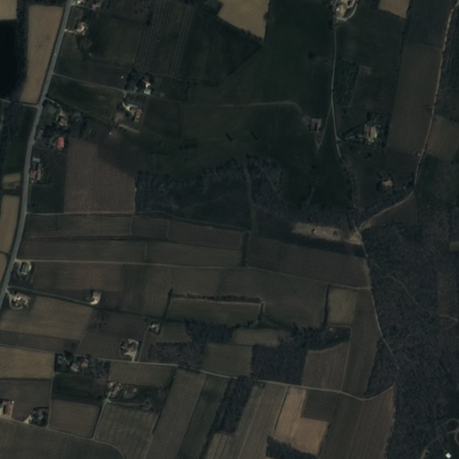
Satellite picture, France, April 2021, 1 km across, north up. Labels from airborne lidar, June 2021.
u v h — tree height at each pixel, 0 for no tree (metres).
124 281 0
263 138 0
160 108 0
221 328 19
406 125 0
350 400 0
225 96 0
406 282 12
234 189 0
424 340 16
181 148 9
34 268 0
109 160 0
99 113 0
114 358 0
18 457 0
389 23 0
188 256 0
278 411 0
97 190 0
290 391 0
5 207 0
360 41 0
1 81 0
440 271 12
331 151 0
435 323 22
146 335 0
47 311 0
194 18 0
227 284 0
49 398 0
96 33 0
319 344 9
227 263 0
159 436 0
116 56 0
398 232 11
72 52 0
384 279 9
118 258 0
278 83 0
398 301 12
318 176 0
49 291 0
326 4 12
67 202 0
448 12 0
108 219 0
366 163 0
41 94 0
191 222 0
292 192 0
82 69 0
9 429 0
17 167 0
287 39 0
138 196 9
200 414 0
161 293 0
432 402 21
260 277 0
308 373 0
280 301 0
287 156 0
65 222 0
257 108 0
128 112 7
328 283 0
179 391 0
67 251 0
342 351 0
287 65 0
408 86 0
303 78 0
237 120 0
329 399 0
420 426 17
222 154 0
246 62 0
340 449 0
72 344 0
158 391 7
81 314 0
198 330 19
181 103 0
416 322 20
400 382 14
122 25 0
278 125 0
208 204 0
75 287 0
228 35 0
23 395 0
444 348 6
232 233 0
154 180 13
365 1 0
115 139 0
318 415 0
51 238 0
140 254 0
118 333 0
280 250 0
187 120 0
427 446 18
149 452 0
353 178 14
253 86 0
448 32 5
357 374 0
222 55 0
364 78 0
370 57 0
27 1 9
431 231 10
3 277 0
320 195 0
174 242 0
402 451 15
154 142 0
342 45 0
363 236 9
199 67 0
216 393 0
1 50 0
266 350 13
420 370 16
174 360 8
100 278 0
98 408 0
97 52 0
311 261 0
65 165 0
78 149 0
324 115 0
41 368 0
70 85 0
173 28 0
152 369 0
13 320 0
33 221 0
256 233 0
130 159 0
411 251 18
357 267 0
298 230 0
